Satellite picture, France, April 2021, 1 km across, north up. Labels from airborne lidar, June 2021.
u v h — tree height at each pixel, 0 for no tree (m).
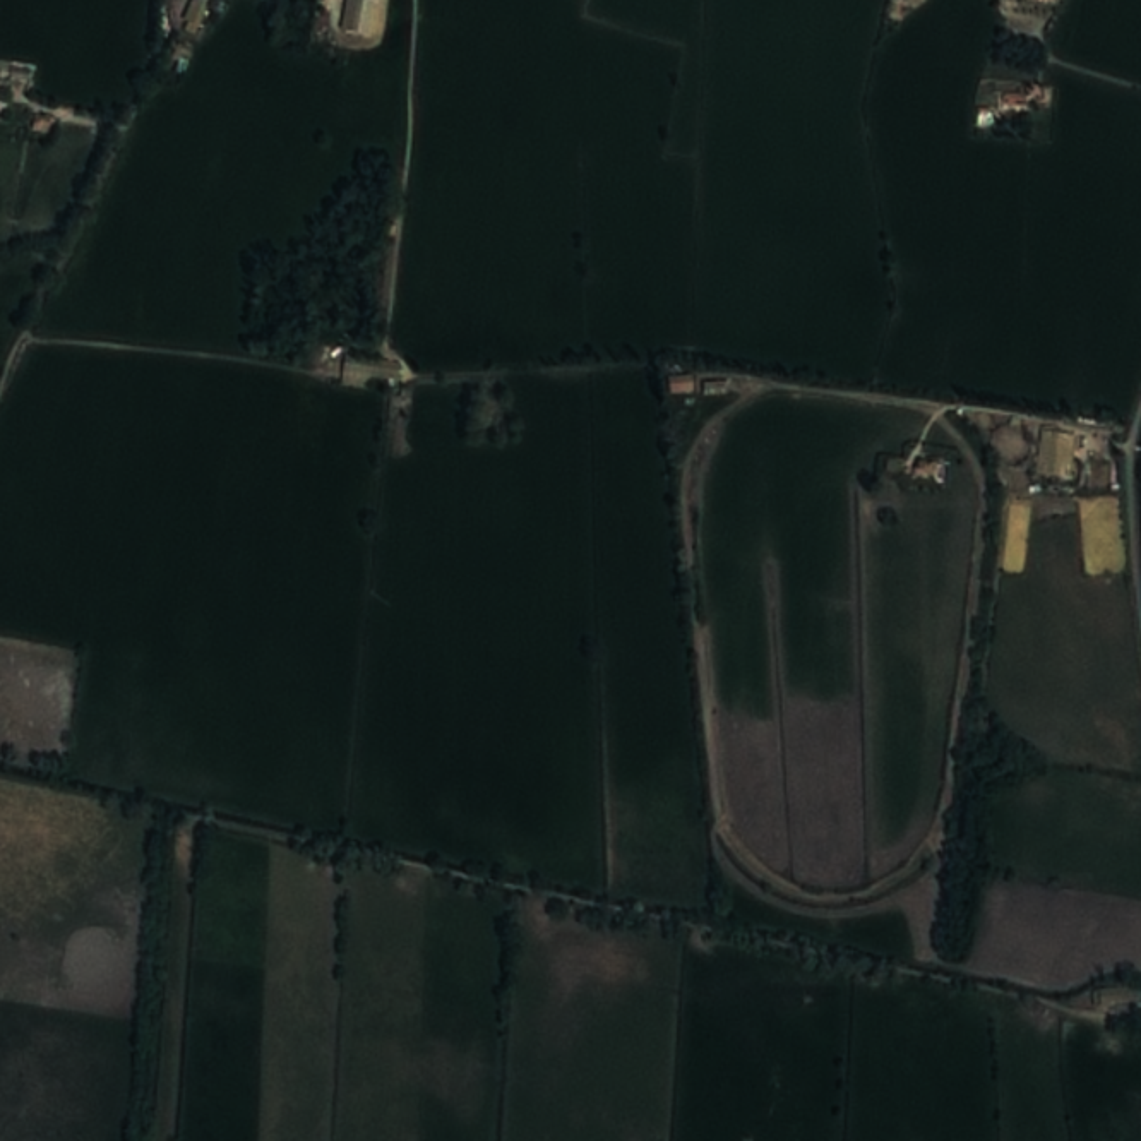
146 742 0
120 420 0
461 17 0
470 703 0
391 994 0
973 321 0
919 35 0
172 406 0
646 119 0
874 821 0
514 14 0
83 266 0
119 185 0
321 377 0
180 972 0
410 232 0
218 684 0
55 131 10
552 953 0
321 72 0
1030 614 0
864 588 0
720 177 0
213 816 6
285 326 19
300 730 0
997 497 15
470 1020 0
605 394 0
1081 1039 0
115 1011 0
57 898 0
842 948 7
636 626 0
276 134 0
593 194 0
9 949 0
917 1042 0
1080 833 0
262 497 0
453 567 0
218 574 0
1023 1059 0
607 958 0
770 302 0
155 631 0
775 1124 0
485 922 0
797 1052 0
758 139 0
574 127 0
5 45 0
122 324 0
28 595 0
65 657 0
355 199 21
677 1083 0
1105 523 0
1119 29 0
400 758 0
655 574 0
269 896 0
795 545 0
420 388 0
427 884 0
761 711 0
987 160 0
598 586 0
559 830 0
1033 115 9
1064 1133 0
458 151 0
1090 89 0
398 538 0
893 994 0
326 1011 0
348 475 0
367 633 0
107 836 0
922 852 0
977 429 8
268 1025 0
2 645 0
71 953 0
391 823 0
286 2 6
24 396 0
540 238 0
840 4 0
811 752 0
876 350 0
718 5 0
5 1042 0
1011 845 0
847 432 0
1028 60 14
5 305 0
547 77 0
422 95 0
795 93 0
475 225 0
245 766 0
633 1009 0
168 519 0
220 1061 0
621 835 0
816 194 0
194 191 0
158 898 7
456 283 0
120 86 0
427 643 0
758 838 0
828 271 0
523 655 0
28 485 0
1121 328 0
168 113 0
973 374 0
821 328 0
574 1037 0
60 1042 0
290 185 0
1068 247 0
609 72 0
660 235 0
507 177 0
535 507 0
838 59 0
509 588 0
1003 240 0
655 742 0
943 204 0
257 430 0
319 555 0
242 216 0
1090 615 0
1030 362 0
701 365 13
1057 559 0
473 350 0
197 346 0
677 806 0
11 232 0
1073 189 0
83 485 0
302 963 0
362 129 0
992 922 0
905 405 0
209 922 0
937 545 0
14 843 0
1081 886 0
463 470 0
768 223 0
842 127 0
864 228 0
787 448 0
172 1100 0
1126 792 0
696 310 0
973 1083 0
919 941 0
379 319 24
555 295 0
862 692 0
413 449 0
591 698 0
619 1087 0
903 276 0
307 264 13
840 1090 8
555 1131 0
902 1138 0
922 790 0
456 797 0
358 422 0
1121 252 0
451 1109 0
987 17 0
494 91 0
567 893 8
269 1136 0
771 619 0
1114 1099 0
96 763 0
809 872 0
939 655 0
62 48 0
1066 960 0
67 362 0
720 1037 0
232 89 0
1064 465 0
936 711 0
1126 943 0
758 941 19
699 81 0
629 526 0
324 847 18
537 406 0
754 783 0
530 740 0
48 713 0
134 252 0
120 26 0
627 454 0
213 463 0
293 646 0
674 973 0
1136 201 0
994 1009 0
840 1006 0
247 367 0
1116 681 0
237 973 0
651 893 0
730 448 0
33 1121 0
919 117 0
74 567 0
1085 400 0
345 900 9
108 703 0
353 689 0
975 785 11
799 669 0
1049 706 0
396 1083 0
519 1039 0
